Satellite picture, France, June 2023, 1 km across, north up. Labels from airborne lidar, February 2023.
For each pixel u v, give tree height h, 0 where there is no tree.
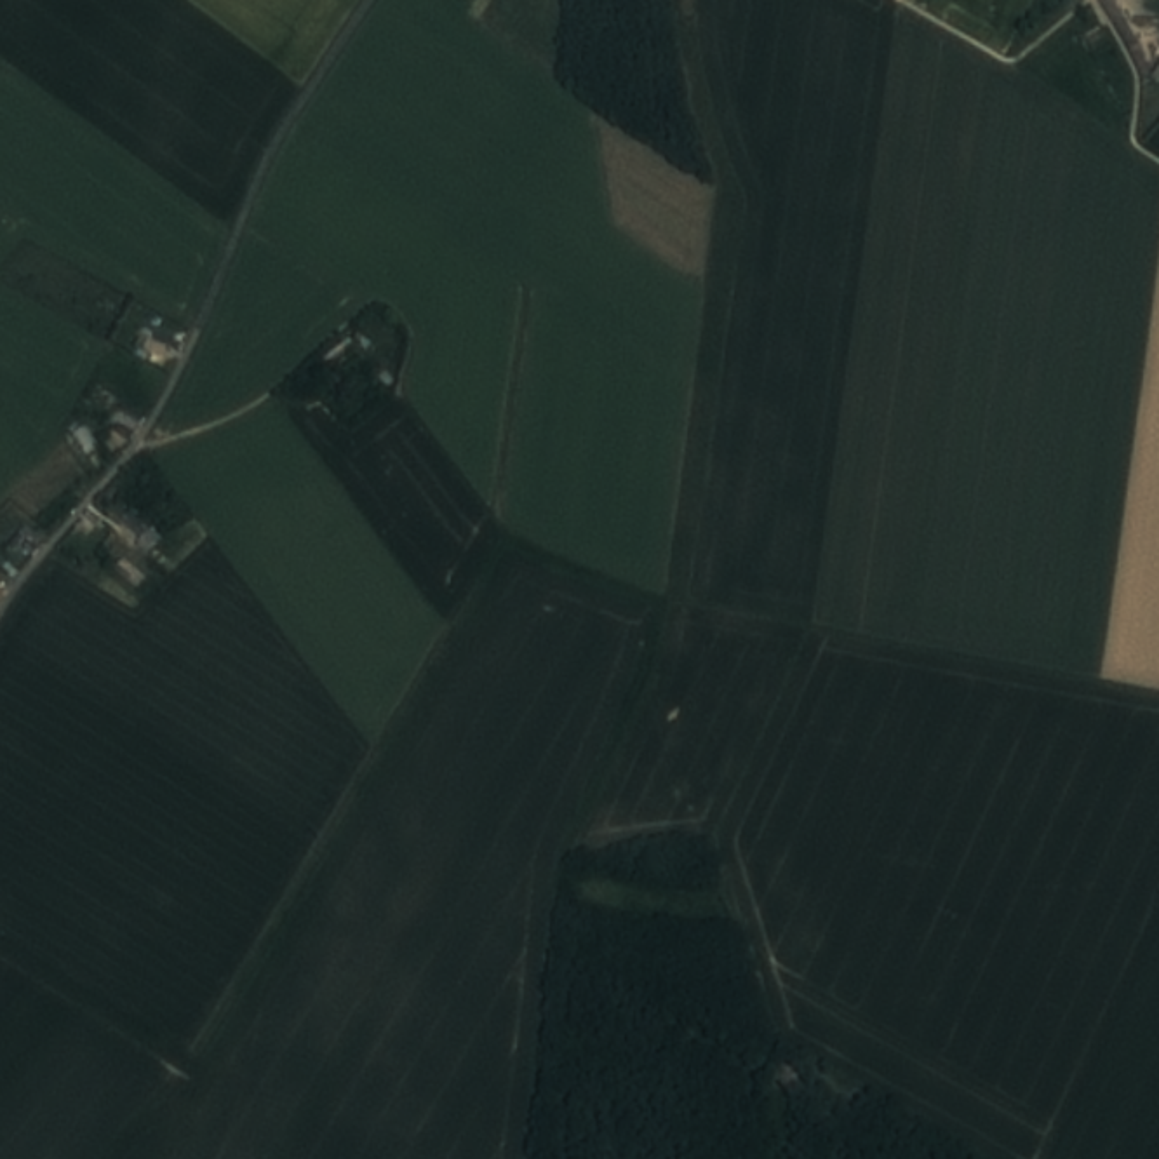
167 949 0
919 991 0
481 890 0
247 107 0
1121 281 0
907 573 0
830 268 0
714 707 0
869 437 0
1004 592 0
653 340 0
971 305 0
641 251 0
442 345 0
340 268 0
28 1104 0
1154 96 0
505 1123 0
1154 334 0
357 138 0
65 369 0
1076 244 0
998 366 0
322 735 0
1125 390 0
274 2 0
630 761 0
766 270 0
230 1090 0
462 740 0
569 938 13
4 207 0
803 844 0
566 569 0
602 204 0
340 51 0
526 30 0
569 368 0
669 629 0
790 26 0
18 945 0
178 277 0
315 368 9
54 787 0
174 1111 0
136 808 0
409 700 0
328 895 0
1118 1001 0
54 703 0
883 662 0
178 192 0
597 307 0
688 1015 18
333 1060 0
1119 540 0
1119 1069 0
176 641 0
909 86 0
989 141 0
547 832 0
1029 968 0
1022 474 0
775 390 0
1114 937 0
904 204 0
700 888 9
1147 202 0
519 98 0
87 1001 0
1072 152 0
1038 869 0
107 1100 0
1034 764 0
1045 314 0
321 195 0
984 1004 0
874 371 0
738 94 0
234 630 0
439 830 0
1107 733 0
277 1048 0
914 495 0
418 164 0
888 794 0
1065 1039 0
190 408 0
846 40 0
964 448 0
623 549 0
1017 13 0
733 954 13
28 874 0
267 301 0
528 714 0
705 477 0
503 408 0
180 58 0
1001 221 0
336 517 0
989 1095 0
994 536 0
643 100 19
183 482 0
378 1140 0
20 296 0
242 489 0
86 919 0
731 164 0
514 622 0
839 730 0
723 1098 20
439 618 0
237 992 0
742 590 0
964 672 0
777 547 0
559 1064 9
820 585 0
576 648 0
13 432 0
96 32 0
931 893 0
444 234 0
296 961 0
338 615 0
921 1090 0
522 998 0
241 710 0
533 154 0
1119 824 0
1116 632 0
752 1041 16
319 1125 0
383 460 0
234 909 0
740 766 0
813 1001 0
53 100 0
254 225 0
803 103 0
